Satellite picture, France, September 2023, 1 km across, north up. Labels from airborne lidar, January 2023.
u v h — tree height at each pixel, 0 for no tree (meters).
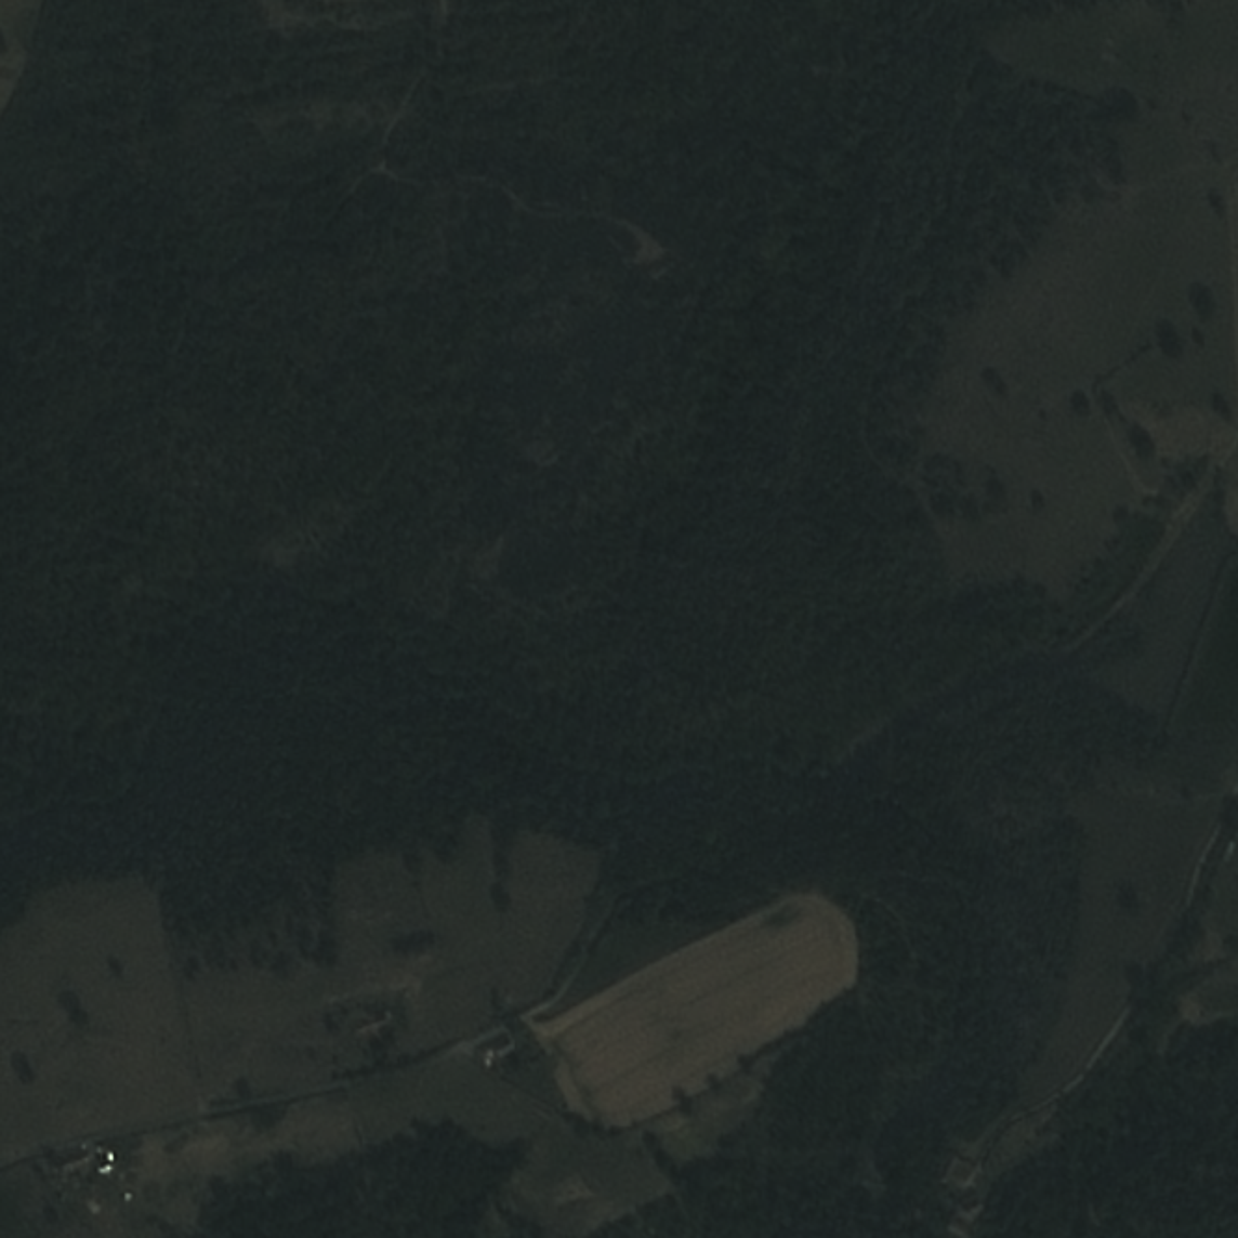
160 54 11
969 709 14
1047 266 0
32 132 7
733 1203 20
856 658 11
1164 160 0
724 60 14
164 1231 7
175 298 15
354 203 6
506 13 6
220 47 10
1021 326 0
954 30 19
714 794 12
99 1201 0
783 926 0
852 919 8
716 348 17
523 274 10
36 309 19
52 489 10
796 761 24
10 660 14
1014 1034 10
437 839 16
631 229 0
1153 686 0
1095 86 0
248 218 7
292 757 16
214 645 24
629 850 17
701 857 16
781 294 22
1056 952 6
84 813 25
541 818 14
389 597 13
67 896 0
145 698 21
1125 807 0
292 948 0
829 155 19
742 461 23
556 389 0
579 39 10
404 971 0
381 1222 12
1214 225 0
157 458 12
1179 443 0
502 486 18
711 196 0
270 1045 0
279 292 9
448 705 20
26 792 19
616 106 10
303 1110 0
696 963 0
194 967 9
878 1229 17
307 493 14
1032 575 0
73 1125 0
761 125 0
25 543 15
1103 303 0
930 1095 12
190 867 17
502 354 0
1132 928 0
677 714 11
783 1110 16
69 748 15
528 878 0
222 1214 6
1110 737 11
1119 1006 0
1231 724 0
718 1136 0
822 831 18
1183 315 0
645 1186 0
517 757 26
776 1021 0
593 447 0
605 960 0
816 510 11
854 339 21
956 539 0
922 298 15
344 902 0
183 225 9
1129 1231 11
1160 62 0
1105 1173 18
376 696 20
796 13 12
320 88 12
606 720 14
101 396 11
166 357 12
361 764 15
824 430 16
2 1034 0
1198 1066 25
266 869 15
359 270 8
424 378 17
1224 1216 11
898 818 24
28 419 13
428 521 16
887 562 9
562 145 7
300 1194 14
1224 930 0
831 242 24
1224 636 0
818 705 19
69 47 6
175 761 12
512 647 14
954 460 0
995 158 14
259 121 0
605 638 18
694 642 14
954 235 14
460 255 11
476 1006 0
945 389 0
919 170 18
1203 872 8
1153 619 0
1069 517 0
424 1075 0
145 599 10
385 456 17
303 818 15
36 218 12
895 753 19
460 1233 20
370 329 13
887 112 23
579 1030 0
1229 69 0
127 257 20
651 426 16
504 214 20
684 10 6
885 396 11
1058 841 13
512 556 0
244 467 21
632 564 19
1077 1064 0
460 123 11
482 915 0
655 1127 0
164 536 17
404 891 0
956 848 19
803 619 8
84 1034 0
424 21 12
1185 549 0
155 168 10
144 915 0
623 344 0
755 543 16
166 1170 0
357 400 7
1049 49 0
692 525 27
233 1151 0
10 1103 0
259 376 14
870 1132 16
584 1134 11
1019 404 0
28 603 13
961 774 12
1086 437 0
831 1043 16
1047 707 19
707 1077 0
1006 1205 23
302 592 21
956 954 21
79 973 0
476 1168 18
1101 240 0
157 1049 0
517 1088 0
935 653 18
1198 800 0
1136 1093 8
